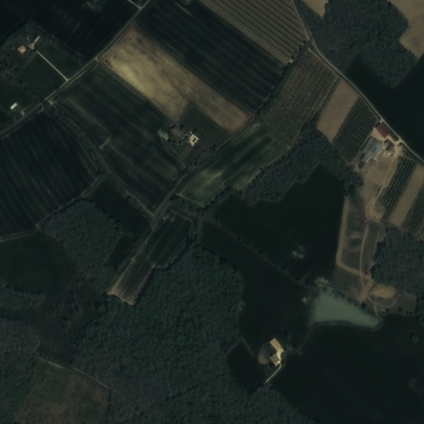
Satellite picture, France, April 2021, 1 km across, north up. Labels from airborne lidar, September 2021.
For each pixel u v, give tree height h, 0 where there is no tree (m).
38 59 0
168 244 0
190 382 22
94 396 0
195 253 24
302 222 0
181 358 22
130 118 0
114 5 0
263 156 0
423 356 0
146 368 20
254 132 0
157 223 0
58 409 0
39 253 0
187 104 0
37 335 15
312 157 20
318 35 18
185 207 17
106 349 20
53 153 0
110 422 17
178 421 9
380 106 0
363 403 0
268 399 22
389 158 0
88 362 18
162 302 21
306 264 0
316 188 0
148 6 0
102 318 20
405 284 23
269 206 0
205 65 0
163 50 0
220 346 18
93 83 0
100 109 0
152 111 0
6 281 21
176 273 19
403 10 0
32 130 0
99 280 21
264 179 18
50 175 0
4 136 0
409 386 0
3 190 0
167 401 18
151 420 17
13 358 16
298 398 0
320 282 0
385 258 24
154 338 24
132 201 15
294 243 0
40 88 0
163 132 0
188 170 16
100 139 0
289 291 0
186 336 15
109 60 0
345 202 0
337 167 21
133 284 0
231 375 9
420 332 0
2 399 20
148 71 0
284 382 0
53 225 16
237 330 23
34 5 0
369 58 21
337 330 0
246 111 0
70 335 6
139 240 11
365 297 0
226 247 0
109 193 0
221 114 0
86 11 0
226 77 0
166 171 0
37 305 12
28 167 0
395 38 21
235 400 18
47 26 0
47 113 0
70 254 19
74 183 0
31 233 0
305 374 0
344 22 19
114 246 21
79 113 0
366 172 0
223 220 0
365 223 0
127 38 0
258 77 0
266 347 0
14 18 0
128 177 0
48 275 0
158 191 0
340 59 13
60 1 0
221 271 24
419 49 0
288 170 15
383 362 0
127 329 19
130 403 14
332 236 0
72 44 0
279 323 0
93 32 0
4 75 15
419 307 13
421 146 0
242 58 0
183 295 22
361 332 0
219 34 0
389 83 9
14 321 10
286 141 0
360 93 0
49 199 0
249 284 0
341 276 0
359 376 0
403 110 0
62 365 9
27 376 14
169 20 0
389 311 11
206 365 24
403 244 22
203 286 18
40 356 7
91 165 0
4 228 0
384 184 0
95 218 22
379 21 16
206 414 22
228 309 22
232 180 0
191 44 0
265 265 0
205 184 0
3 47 11
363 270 0
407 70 21
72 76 0
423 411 0
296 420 21
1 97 0
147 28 0
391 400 0
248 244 10
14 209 0
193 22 0
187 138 11
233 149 0
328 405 0
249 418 20
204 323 22
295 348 13
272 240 0
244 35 0
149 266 0
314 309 0
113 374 18
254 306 0
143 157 0
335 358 0
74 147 0
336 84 6
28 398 14
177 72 0
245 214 0
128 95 0
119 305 18
